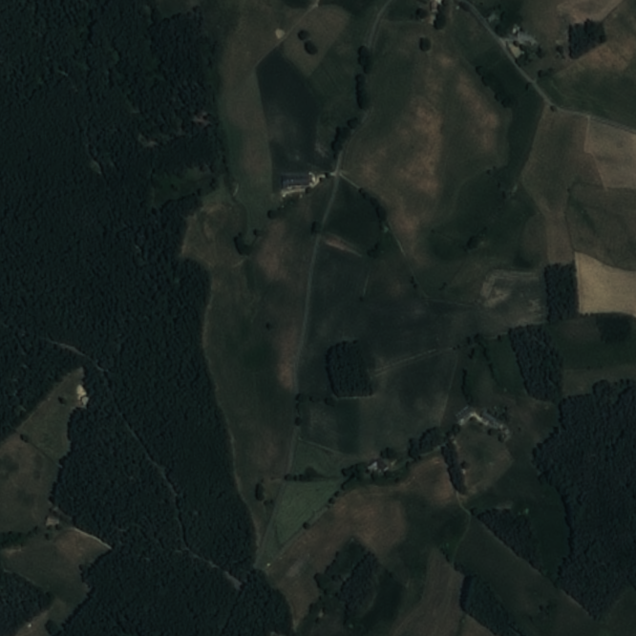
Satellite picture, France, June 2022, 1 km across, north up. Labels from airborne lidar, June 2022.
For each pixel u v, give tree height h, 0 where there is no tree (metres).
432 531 0
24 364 21
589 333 0
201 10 16
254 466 0
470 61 0
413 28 0
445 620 0
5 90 28
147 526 22
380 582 0
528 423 0
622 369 0
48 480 0
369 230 0
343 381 28
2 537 15
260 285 0
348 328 0
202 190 16
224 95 0
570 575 21
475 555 0
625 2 0
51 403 0
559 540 0
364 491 0
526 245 0
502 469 0
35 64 21
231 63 0
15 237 29
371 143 0
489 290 0
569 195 0
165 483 26
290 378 0
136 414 18
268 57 0
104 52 29
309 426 0
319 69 0
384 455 12
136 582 23
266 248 0
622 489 24
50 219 32
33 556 0
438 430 17
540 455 22
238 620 16
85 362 25
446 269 0
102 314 25
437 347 0
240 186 0
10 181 26
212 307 0
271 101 0
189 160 23
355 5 0
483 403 0
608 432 22
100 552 0
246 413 0
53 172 26
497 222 0
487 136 0
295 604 0
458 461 12
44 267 22
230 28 0
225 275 0
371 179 0
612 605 17
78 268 24
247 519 23
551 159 0
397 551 0
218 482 22
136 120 16
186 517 20
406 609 0
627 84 0
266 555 0
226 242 0
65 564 0
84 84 24
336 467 0
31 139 28
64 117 26
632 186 0
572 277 17
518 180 0
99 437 25
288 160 0
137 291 27
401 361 0
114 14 26
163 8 0
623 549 27
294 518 0
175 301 24
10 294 27
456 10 0
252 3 0
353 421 0
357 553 0
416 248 0
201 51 23
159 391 20
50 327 22
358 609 22
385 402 0
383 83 0
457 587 0
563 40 0
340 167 0
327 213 0
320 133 0
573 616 0
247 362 0
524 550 19
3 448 0
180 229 23
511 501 0
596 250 0
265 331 0
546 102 0
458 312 0
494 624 24
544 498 0
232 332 0
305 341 0
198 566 21
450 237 0
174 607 25
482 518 16
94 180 26
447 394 0
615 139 0
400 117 0
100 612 31
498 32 16
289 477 15
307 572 0
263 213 0
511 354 0
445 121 0
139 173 20
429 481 0
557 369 16
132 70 21
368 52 13
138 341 27
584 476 28
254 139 0
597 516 23
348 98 0
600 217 0
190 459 21
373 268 0
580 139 0
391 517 0
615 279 0
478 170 0
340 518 0
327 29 0
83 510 19
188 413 24
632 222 0
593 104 0
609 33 0
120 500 23
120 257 30
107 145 23
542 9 0
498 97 12
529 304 0
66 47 24
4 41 25
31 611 20
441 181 0
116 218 30
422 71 0
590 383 0
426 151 0
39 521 0
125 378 26
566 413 20
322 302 0
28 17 25
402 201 0
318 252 0
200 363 28
